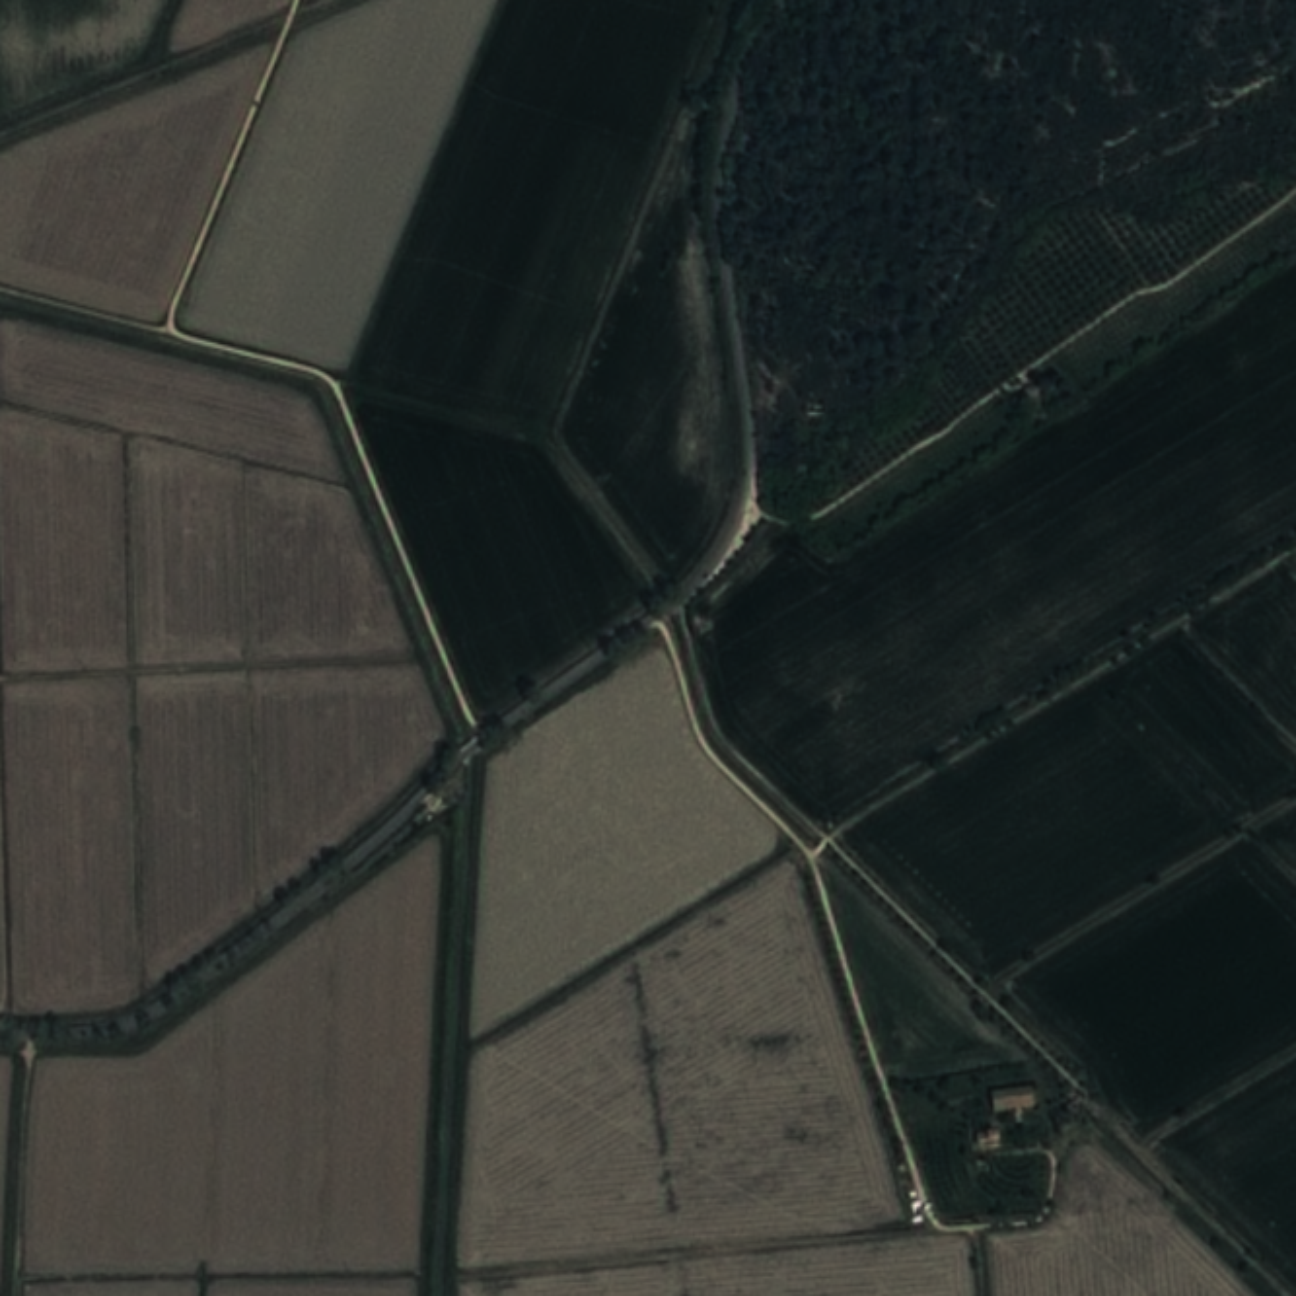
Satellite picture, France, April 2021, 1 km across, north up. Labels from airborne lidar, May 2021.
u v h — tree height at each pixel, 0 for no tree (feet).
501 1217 0
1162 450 0
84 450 0
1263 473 0
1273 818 0
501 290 0
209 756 0
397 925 0
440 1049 0
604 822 0
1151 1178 0
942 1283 0
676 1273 0
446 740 0
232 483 0
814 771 0
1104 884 0
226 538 0
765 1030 0
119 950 0
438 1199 0
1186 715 0
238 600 0
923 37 22
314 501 0
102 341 0
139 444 0
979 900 0
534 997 0
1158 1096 0
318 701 0
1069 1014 0
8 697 0
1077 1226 0
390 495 0
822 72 47
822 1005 0
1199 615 34
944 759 43
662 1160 0
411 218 0
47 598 0
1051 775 0
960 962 0
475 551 0
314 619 0
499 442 0
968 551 0
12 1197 0
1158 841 0
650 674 0
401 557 0
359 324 0
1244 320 0
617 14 0
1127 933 0
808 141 44
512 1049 0
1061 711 0
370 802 0
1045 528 0
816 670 0
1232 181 21
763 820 0
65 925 0
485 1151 0
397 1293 0
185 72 0
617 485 0
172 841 0
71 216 0
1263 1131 0
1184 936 0
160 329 0
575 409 0
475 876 0
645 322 0
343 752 0
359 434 0
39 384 0
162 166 0
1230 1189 0
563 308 0
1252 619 0
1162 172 22
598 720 0
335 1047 0
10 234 0
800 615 0
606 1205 0
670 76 0
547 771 0
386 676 0
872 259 42
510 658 0
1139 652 28
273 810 0
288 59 0
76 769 0
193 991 38
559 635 0
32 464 0
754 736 0
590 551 0
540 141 0
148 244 0
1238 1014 0
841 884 0
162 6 0
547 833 0
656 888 0
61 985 0
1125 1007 0
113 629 0
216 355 0
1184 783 0
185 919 0
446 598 0
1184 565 0
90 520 0
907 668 0
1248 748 0
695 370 0
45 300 0
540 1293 0
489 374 0
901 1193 0
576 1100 0
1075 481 0
